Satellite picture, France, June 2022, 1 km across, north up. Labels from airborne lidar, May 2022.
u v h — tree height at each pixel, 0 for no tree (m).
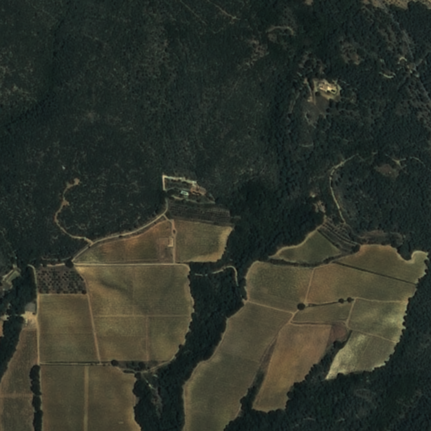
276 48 13
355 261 0
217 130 6
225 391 0
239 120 6
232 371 0
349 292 0
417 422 21
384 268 0
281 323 0
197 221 0
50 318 0
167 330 0
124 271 0
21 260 12
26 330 0
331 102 9
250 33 7
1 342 17
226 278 17
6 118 7
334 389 14
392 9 9
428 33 13
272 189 7
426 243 16
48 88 13
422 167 9
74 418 0
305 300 0
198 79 8
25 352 0
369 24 16
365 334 0
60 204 7
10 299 28
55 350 0
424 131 12
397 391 9
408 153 13
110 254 0
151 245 0
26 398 0
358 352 0
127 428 0
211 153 6
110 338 0
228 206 9
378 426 12
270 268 0
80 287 7
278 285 0
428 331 13
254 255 23
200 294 10
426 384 10
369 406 12
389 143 13
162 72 7
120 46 6
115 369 0
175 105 9
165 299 0
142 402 15
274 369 0
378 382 8
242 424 13
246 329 0
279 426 20
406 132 10
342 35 14
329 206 17
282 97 25
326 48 12
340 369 0
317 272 0
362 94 21
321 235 0
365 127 9
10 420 0
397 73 17
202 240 0
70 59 9
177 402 17
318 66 8
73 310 0
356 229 10
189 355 13
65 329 0
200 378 0
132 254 0
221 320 11
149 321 0
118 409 0
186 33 6
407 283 0
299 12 11
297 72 11
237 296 13
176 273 0
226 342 0
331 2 16
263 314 0
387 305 0
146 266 0
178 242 0
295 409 15
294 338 0
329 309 0
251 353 0
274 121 14
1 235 6
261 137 7
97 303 0
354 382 15
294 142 15
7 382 0
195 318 11
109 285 0
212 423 0
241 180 12
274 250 9
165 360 0
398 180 7
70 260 9
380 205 14
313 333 0
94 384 0
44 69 6
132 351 0
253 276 0
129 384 0
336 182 7
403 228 15
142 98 6
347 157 9
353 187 12
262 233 16
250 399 14
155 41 6
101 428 0
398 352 7
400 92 18
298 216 13
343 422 12
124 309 0
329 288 0
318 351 0
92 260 0
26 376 0
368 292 0
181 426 15
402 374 8
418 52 15
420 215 17
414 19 14
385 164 6
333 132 16
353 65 8
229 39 7
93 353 0
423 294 11
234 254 14
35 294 13
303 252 0
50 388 0
